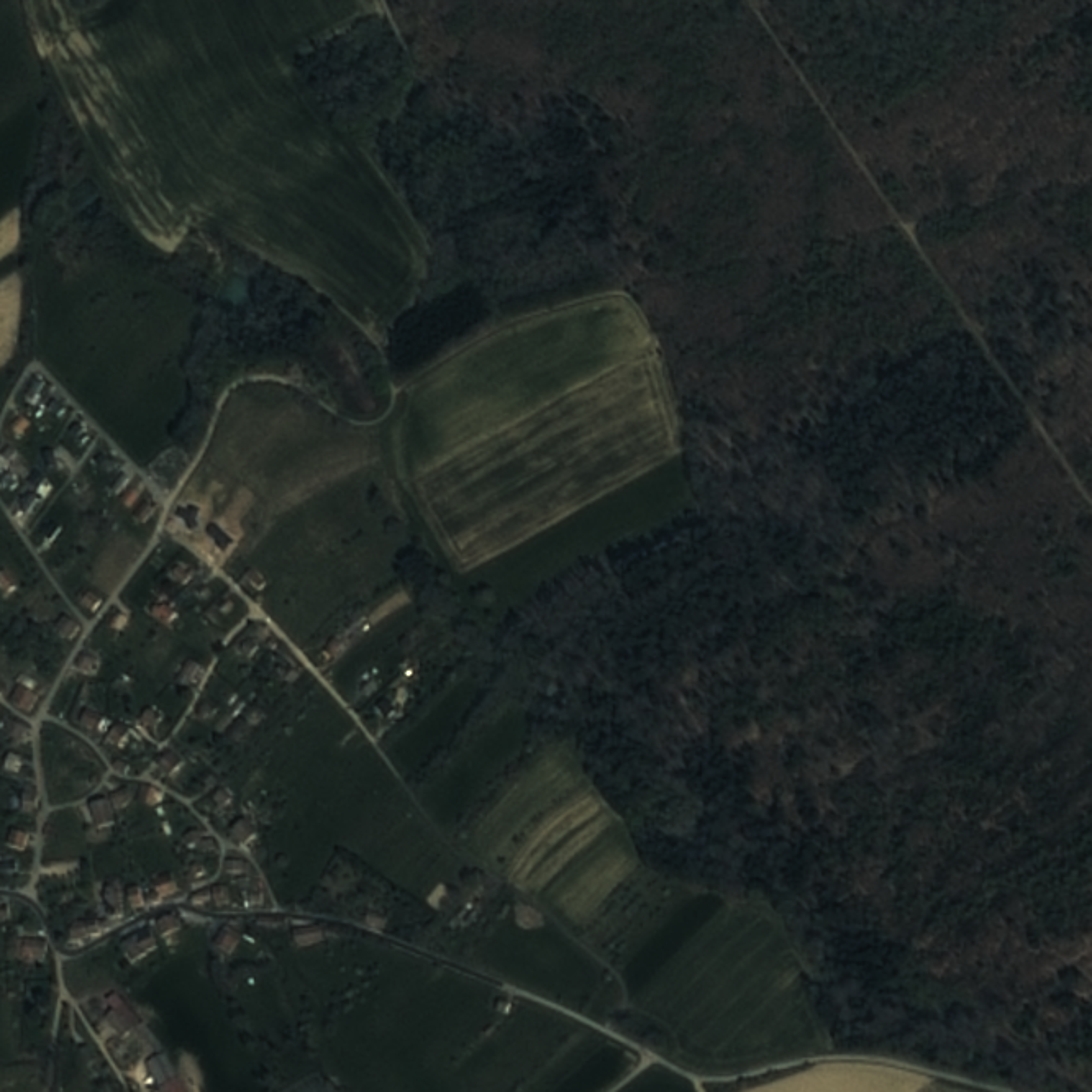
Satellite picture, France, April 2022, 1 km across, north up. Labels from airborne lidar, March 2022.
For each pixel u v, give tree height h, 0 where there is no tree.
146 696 0
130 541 0
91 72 0
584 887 0
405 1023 0
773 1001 0
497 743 0
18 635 8
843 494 33
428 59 6
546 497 0
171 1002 0
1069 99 10
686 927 0
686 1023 0
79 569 0
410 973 0
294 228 0
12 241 0
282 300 24
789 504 31
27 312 0
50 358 0
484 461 0
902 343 15
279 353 28
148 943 0
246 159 0
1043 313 24
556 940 0
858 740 6
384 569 0
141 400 0
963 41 16
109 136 0
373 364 19
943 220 14
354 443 0
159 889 0
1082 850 14
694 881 21
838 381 11
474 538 0
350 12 0
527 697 20
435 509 0
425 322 12
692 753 24
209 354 21
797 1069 0
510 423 0
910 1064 26
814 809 11
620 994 0
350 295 0
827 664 13
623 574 30
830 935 15
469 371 0
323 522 0
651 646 29
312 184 0
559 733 21
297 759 0
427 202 29
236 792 0
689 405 10
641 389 0
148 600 0
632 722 29
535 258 30
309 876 0
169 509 0
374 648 0
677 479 0
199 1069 0
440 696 12
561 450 0
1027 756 9
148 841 0
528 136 28
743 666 16
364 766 0
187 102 0
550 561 0
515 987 0
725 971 0
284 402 0
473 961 0
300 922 0
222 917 0
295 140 0
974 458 22
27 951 0
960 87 10
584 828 0
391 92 26
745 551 23
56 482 0
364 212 0
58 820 0
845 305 10
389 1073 0
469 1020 0
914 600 10
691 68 14
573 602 32
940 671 9
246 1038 13
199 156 0
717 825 13
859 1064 0
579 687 27
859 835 15
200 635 0
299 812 0
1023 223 13
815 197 10
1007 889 8
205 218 0
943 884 8
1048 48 11
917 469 24
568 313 0
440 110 12
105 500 0
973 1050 37
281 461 0
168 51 0
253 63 0
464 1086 0
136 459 0
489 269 23
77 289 0
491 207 21
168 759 0
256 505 0
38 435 0
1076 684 9
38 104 0
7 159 0
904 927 6
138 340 0
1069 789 9
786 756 7
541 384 0
